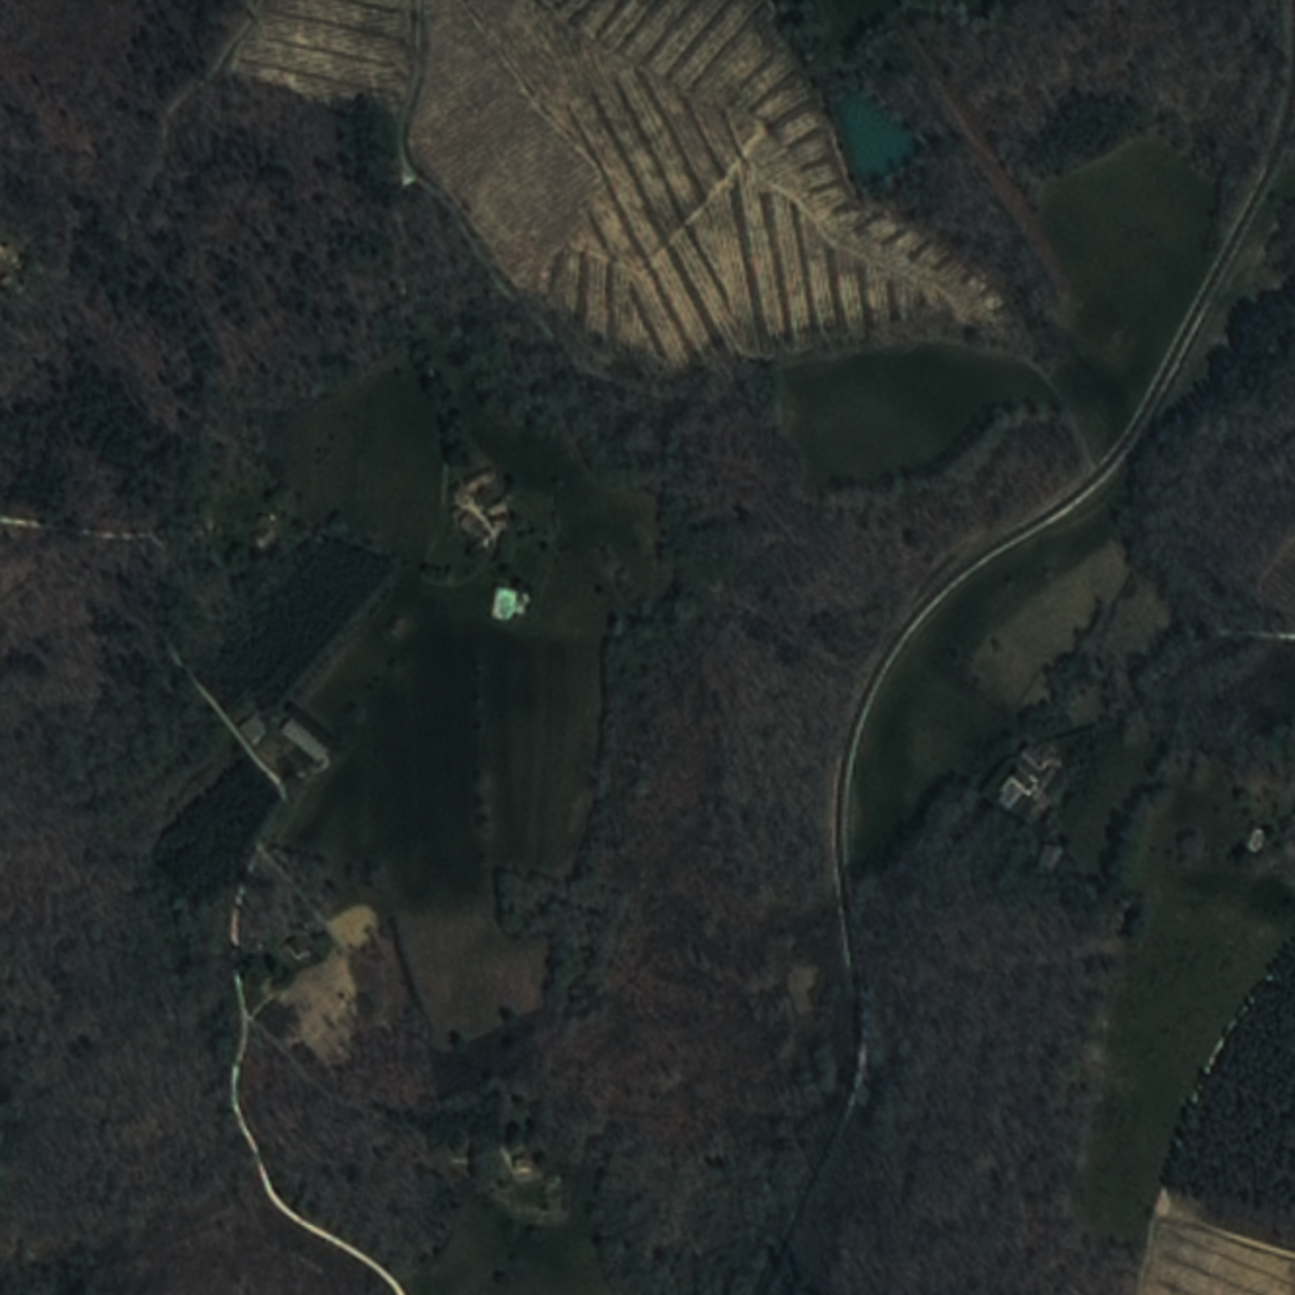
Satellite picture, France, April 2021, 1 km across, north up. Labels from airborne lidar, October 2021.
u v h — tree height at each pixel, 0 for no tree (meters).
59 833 13
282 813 23
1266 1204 19
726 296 0
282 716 7
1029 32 20
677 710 6
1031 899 22
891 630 19
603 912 12
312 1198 18
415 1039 9
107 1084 21
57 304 12
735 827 28
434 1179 20
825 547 15
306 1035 0
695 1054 6
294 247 14
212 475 8
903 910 26
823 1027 10
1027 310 13
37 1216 14
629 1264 6
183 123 8
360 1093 11
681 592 11
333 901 17
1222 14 9
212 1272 6
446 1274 0
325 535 11
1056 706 7
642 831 6
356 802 0
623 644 11
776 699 23
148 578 15
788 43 18
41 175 10
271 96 11
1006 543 0
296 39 0
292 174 10
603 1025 10
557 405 24
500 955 0
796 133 0
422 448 0
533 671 0
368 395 0
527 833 0
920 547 25
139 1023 18
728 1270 16
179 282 18
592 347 22
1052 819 7
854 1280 21
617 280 0
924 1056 23
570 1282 0
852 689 22
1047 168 23
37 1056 17
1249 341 17
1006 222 15
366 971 0
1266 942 0
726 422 6
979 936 19
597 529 0
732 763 19
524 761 0
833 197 0
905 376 0
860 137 0
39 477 10
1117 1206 0
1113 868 13
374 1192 16
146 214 8
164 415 11
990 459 23
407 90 16
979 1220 16
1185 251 0
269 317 12
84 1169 16
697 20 0
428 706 0
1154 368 0
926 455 0
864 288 0
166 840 13
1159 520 27
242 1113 9
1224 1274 0
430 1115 13
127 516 8
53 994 17
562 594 0
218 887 11
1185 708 21
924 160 17
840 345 23
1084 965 15
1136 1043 0
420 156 0
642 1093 8
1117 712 10
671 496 14
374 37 0
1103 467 0
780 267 0
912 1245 18
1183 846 11
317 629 19
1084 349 0
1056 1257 11
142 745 18
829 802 22
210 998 26
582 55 0
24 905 9
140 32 8
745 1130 6
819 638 23
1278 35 20
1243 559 17
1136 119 25
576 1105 7
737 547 13
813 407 0
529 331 22
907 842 19
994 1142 15
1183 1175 14
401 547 0
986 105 15
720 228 0
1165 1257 0
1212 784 0
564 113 0
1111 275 0
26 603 18
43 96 8
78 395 14
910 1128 17
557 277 0
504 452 0
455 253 20
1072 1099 11
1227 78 23
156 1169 20
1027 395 0
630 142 0
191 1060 18
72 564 12
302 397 18
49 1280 17
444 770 0
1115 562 0
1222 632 17
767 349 0
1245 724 20
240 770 11
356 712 11
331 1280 0
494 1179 20
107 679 18
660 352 0
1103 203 0
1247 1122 17
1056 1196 12
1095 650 8
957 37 11
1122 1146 0
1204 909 0
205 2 14
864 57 17
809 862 27
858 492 19
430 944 0
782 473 11
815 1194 20
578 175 0
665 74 0
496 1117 20
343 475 0
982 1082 20
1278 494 17
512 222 0
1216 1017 0
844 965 0
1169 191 0
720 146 0
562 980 20
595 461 15
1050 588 0
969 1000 19
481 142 0
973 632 0
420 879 0
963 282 0
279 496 10
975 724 0
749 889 22
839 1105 0
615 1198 13
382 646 0
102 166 8
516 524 9
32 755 13
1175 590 20
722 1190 9
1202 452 24
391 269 13
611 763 9
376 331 16
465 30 0
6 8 8
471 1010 0
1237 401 15
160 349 8
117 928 16
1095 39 19
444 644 0
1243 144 8
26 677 21
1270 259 11
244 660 18
